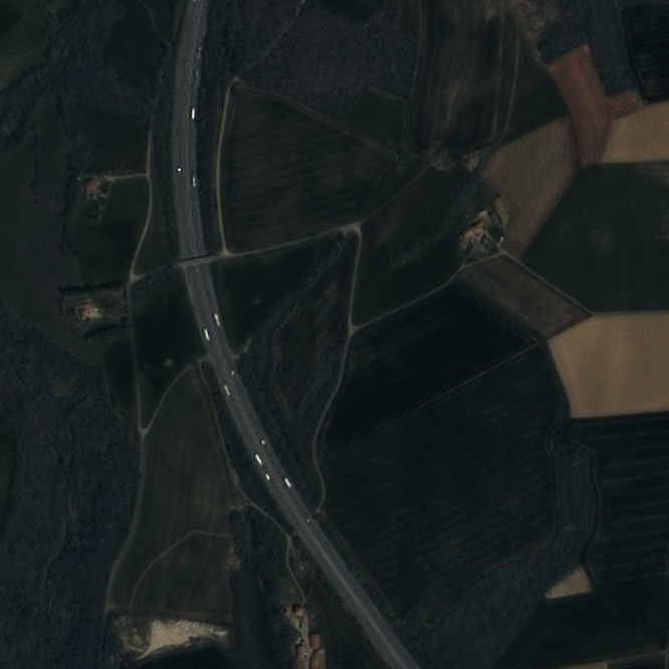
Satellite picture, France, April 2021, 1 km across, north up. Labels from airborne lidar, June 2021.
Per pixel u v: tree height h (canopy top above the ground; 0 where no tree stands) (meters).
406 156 15
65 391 0
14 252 0
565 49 15
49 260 0
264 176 0
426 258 0
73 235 0
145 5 8
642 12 0
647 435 0
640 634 0
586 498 17
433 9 0
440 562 0
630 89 11
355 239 0
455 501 0
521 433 0
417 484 0
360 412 0
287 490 0
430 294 0
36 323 0
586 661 0
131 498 13
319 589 0
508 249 0
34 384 14
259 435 0
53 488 19
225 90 12
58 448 18
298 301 9
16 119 22
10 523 18
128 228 0
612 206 0
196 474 0
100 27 19
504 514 0
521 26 0
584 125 0
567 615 0
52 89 17
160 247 0
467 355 0
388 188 0
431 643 22
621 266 0
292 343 0
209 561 0
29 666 18
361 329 0
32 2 0
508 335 0
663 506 0
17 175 0
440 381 0
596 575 0
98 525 16
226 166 0
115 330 15
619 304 0
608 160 0
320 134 0
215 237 10
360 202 0
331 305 0
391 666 0
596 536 0
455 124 0
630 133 0
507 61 0
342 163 0
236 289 0
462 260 7
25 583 12
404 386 0
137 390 0
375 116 0
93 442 16
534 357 0
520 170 0
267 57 14
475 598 17
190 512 0
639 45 0
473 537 0
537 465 0
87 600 12
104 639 17
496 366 0
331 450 0
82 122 0
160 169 10
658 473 0
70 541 10
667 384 0
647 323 0
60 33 24
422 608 0
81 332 10
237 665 15
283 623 12
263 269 0
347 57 13
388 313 0
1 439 0
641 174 0
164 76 12
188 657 0
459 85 0
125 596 0
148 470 0
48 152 0
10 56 0
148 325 0
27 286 0
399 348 0
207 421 0
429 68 0
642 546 0
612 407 0
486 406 0
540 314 0
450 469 0
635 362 0
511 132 0
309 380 0
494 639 18
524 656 0
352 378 0
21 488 16
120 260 0
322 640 0
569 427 0
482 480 0
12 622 20
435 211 0
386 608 12
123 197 0
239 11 12
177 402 0
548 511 0
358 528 0
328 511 0
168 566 0
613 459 0
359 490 0
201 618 0
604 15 15
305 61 11
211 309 0
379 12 9
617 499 0
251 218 0
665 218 0
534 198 0
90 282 0
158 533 0
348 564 9
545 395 0
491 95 0
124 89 17
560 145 0
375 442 0
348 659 0
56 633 13
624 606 0
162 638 0
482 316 0
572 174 0
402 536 0
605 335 0
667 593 0
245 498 0
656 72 0
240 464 7
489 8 0
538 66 0
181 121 0
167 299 0
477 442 0
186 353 0
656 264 0
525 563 11
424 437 0
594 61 12
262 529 11
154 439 0
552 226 0
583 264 0
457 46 0
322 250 0
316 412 16
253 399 14
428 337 0
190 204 0
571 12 19
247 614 17
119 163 0
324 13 11
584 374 0
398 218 0
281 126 0
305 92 6
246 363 16
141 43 0
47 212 0
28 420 11
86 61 23
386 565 0
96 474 18
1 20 0
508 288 0
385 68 17
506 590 16
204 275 0
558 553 16
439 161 0
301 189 0
